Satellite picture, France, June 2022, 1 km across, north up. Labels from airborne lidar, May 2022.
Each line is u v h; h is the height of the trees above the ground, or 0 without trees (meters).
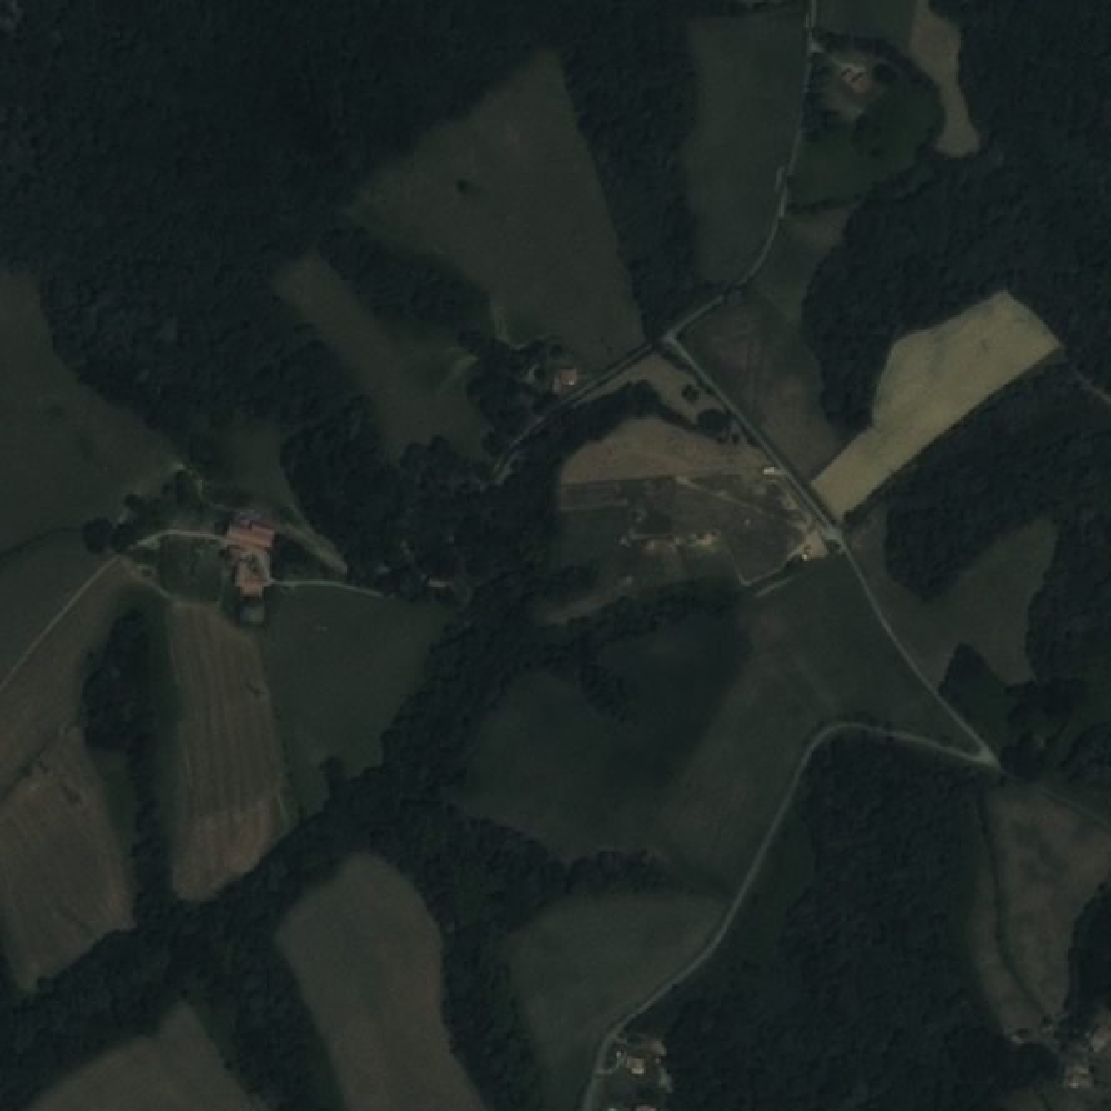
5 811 0
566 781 0
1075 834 0
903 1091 28
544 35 21
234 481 0
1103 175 9
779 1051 9
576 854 0
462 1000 14
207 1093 0
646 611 9
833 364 9
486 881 22
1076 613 14
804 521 0
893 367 0
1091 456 19
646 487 0
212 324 19
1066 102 18
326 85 21
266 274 11
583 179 0
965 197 20
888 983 14
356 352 0
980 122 7
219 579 0
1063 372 11
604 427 13
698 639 0
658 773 0
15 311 0
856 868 10
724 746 0
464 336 10
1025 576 0
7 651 0
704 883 0
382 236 0
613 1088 0
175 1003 0
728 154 0
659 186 7
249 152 24
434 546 20
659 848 0
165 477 0
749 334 0
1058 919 0
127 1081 0
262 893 23
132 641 20
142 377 18
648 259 7
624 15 23
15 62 25
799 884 0
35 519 0
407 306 11
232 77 24
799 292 0
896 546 12
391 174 0
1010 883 0
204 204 11
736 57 0
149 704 15
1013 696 12
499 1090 16
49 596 0
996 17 22
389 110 23
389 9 23
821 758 14
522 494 18
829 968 13
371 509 24
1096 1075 9
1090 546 11
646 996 0
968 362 0
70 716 0
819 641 0
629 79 10
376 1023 0
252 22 20
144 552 0
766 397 0
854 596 0
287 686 0
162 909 18
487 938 25
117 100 23
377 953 0
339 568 0
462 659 18
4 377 0
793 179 7
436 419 0
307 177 21
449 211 0
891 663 0
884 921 19
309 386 30
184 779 0
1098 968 17
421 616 0
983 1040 14
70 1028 25
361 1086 0
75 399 0
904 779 7
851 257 11
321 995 0
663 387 0
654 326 8
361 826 18
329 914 0
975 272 8
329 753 0
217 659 0
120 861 0
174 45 19
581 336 0
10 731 0
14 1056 25
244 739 0
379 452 11
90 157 19
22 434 0
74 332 17
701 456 0
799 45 0
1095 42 29
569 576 11
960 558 13
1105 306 13
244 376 29
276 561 9
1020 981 0
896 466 0
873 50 12
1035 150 17
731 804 0
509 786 0
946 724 0
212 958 14
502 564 11
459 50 28
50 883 0
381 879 0
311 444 25
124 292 10
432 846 18
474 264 0
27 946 0
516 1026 11
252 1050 12
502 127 0
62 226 22
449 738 22
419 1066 0
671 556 0
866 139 16
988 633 0
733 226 0
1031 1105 0
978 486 17
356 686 0
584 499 0
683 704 0
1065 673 9
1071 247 12
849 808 8
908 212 19
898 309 9
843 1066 27
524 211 0
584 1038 0
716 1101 29
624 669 0
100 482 0
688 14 19
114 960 23
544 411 18
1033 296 8
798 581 0
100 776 0
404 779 24
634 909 0
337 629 0
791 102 0
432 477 18
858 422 16
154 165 22
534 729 0
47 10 19
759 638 0
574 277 0
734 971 8
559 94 0
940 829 11
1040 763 14
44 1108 0
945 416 0
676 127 11
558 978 0
